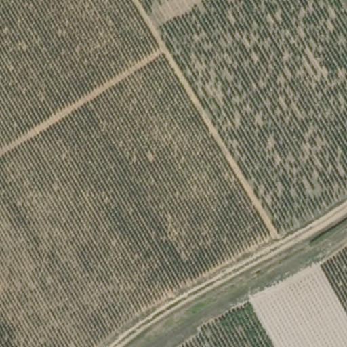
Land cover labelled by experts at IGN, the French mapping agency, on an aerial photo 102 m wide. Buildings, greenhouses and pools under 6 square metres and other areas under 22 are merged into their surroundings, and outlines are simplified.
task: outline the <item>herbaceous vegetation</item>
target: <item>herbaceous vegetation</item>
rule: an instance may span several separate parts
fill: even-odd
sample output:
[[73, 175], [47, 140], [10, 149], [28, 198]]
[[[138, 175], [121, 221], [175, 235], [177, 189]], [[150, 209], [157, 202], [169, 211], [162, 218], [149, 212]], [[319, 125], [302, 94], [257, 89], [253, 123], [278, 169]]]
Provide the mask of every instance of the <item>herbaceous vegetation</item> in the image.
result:
[[221, 283], [194, 301], [176, 308], [178, 313], [169, 313], [163, 319], [155, 321], [123, 347], [186, 347], [192, 340], [199, 338], [203, 325], [213, 324], [214, 320], [220, 319], [233, 309], [249, 304], [249, 295], [290, 278], [313, 263], [321, 267], [347, 247], [347, 214], [312, 237], [291, 245], [278, 255], [263, 260], [262, 263]]

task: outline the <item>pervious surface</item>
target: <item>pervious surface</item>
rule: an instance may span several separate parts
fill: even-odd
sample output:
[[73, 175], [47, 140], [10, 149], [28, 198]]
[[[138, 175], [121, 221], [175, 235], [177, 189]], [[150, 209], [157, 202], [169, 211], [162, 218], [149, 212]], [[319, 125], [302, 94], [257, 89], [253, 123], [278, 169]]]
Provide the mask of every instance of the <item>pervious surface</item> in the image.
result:
[[347, 214], [347, 201], [304, 229], [268, 245], [258, 253], [253, 253], [249, 258], [226, 268], [216, 277], [199, 283], [194, 289], [184, 291], [175, 298], [169, 298], [167, 304], [159, 306], [149, 313], [149, 316], [126, 329], [108, 347], [123, 347], [155, 321], [163, 319], [169, 313], [178, 313], [176, 308], [194, 301], [221, 283], [262, 263], [263, 260], [278, 255], [291, 245], [312, 237]]

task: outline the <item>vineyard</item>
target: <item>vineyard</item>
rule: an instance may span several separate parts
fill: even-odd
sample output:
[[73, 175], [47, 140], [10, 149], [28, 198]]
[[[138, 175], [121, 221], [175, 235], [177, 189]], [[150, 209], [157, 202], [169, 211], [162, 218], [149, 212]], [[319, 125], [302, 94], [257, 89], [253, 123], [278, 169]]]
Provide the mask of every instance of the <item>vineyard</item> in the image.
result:
[[347, 0], [0, 0], [0, 347], [108, 347], [126, 329], [149, 316], [149, 313], [159, 306], [167, 304], [169, 298], [175, 298], [184, 291], [194, 289], [199, 283], [216, 277], [226, 268], [249, 258], [253, 253], [258, 253], [268, 245], [304, 229], [347, 201]]
[[249, 304], [233, 309], [220, 319], [214, 320], [213, 324], [203, 325], [199, 338], [192, 340], [186, 347], [347, 347], [347, 247], [321, 267], [313, 263], [290, 278], [249, 295]]

